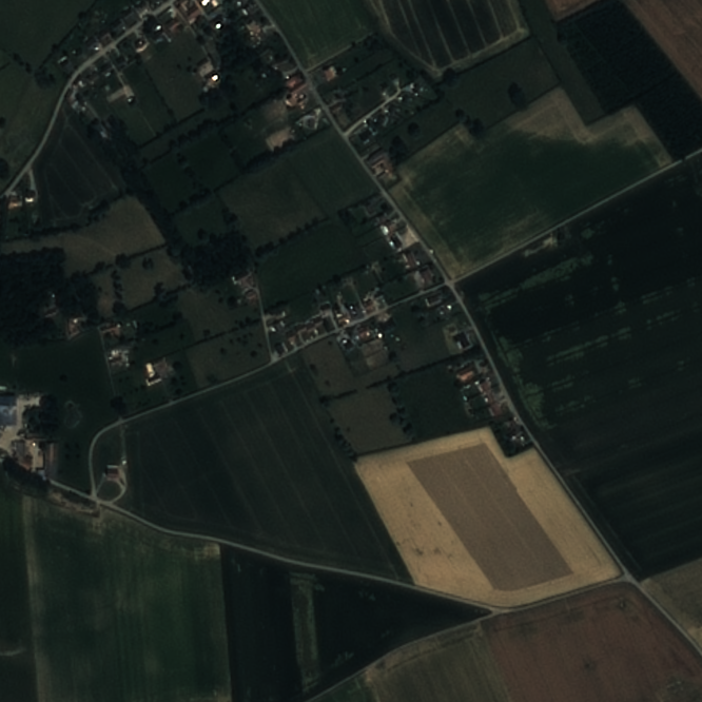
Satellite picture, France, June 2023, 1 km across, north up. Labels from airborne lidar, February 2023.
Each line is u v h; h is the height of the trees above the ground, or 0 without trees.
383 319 0
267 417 0
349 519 0
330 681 0
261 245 0
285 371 0
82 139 0
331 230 0
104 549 0
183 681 0
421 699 0
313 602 0
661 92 11
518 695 0
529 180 0
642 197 0
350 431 0
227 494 0
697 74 0
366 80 13
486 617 0
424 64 0
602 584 0
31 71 15
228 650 0
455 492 0
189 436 0
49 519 0
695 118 11
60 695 0
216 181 0
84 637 0
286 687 0
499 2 0
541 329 0
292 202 0
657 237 0
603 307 0
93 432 0
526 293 0
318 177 0
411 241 0
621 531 0
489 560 0
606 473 0
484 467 0
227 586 0
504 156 0
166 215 11
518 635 0
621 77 8
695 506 0
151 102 0
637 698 0
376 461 0
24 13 0
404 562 0
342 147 0
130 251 0
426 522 0
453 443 0
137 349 5
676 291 0
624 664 0
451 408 0
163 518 0
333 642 0
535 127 0
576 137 0
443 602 0
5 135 0
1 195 0
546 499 0
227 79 6
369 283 0
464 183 0
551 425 0
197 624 0
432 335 0
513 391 0
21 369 0
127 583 0
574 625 0
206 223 0
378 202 0
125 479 0
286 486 0
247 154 0
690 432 0
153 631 0
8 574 0
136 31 0
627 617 0
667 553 0
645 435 0
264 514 0
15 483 0
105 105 0
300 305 0
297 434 0
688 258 0
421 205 0
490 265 0
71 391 0
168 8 0
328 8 0
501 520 0
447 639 0
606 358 0
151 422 0
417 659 0
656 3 0
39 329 12
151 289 0
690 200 0
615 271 0
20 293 10
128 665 0
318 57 0
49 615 0
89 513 0
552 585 0
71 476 0
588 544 0
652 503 0
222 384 0
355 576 0
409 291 0
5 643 0
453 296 6
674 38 0
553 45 0
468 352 8
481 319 0
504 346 0
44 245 0
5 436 0
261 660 0
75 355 0
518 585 0
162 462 0
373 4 0
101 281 0
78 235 0
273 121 0
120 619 0
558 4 0
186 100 0
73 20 0
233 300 11
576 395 0
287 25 0
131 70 0
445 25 0
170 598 0
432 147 0
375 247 0
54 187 0
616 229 0
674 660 0
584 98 0
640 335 0
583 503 0
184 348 0
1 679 0
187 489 0
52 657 0
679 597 0
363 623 0
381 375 0
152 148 0
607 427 0
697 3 0
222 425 0
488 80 0
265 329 0
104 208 10
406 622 0
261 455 0
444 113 0
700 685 0
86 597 0
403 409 13
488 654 0
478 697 0
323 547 0
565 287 0
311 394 0
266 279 0
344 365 0
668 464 0
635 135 0
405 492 0
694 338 0
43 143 0
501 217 0
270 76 16
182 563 0
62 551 0
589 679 0
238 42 12
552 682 0
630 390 0
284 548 0
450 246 0
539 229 0
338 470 0
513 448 9
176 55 0
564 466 0
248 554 0
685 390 0
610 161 0
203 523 0
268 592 0
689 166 0
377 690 0
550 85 0
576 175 0
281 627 0
